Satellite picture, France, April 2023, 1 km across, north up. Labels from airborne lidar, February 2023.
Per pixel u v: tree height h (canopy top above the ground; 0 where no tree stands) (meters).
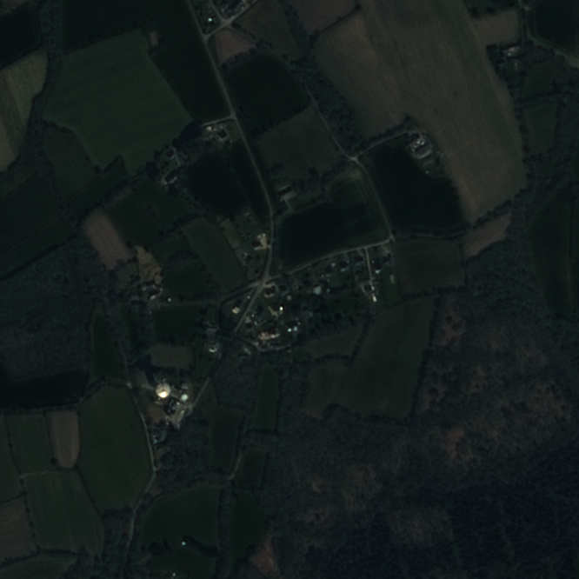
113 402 0
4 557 0
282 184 10
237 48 0
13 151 0
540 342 16
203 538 0
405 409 0
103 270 15
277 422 9
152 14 0
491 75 0
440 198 0
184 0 0
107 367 0
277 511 15
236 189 0
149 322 16
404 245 0
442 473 15
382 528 20
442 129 0
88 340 12
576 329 13
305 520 14
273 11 0
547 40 0
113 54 0
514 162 0
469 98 0
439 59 0
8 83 0
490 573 16
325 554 16
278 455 17
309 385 14
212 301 14
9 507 0
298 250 0
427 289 0
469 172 0
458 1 0
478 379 11
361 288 0
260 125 0
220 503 9
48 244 0
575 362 14
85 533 0
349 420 16
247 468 0
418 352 0
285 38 0
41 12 7
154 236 0
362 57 0
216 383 15
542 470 21
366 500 14
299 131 0
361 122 0
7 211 0
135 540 8
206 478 12
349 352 0
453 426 16
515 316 17
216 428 0
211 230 0
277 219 7
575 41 0
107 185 0
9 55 0
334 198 0
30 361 14
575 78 7
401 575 15
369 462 16
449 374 15
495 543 18
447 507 11
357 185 0
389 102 0
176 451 13
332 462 16
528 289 10
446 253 0
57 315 8
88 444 0
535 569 19
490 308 15
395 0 0
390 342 0
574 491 19
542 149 0
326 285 6
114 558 10
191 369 11
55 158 0
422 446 13
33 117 12
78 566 13
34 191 0
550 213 0
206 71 0
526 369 12
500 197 0
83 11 0
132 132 0
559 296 0
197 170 0
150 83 0
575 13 0
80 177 0
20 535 0
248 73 0
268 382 0
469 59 0
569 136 11
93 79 0
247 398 14
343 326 14
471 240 0
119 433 0
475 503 23
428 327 0
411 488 20
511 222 10
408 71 0
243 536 0
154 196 0
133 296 8
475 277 10
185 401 0
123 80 0
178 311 0
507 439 11
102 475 0
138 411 10
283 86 0
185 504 0
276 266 0
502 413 10
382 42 0
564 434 15
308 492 10
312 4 0
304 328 7
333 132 10
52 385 0
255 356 13
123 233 0
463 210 0
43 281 18
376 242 0
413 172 0
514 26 0
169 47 0
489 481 18
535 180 9
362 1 0
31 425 0
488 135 0
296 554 17
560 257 0
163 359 0
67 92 0
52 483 0
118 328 12
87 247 15
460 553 17
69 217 7
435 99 0
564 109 9
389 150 0
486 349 13
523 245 16
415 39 0
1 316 7
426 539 18
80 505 0
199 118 0
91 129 0
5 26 0
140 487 0
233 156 0
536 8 0
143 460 0
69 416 0
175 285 0
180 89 0
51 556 9
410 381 0
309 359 11
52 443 0
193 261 7
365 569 23
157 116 0
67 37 0
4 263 0
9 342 15
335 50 0
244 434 9
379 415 0
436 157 0
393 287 0
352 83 0
